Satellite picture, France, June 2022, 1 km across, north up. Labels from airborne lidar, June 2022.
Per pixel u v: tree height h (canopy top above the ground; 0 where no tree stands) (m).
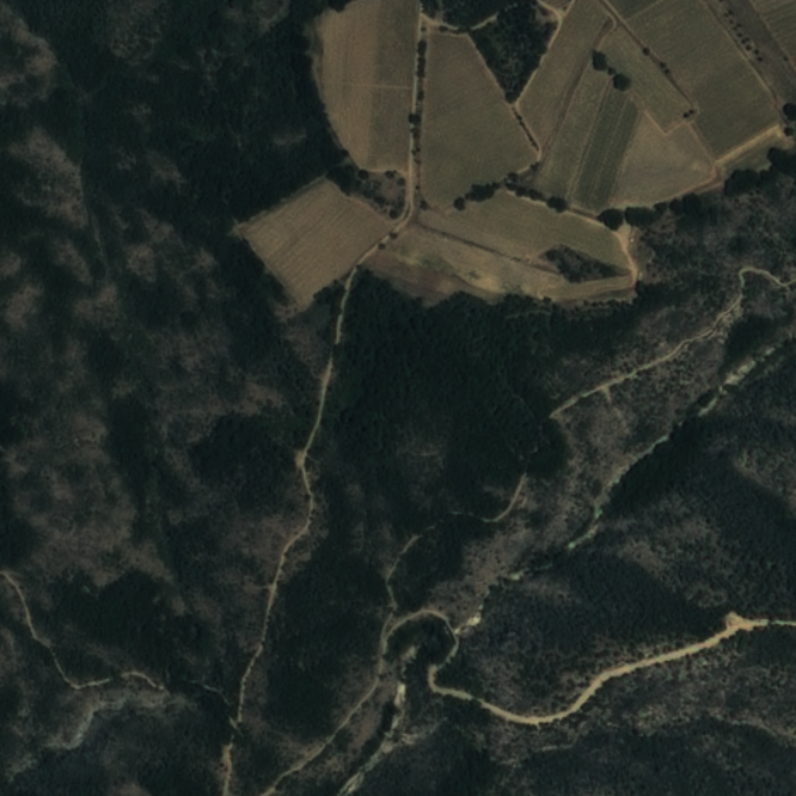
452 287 0
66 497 0
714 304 7
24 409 9
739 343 12
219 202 11
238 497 7
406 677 7
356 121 0
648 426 5
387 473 12
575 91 0
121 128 9
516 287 0
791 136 15
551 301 10
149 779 11
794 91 0
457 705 10
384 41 0
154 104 10
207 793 11
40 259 8
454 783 9
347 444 7
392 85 0
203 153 11
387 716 10
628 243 0
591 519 9
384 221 0
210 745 8
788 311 8
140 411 11
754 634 7
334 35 0
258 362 8
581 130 0
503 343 12
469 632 0
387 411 10
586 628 15
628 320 6
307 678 13
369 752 8
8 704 8
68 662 7
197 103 10
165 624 10
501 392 11
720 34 0
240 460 9
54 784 7
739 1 0
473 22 10
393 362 20
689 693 0
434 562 8
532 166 6
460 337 14
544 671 7
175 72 7
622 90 14
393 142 0
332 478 8
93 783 6
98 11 9
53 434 6
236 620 6
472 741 7
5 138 7
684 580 12
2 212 12
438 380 15
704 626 11
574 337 10
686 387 6
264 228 0
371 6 0
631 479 15
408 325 7
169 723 0
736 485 11
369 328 9
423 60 12
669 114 0
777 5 0
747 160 0
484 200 16
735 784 13
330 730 8
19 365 6
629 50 0
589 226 0
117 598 15
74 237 6
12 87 6
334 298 12
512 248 0
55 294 7
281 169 11
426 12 8
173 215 9
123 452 13
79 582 9
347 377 6
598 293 0
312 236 0
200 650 9
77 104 7
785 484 6
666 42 0
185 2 9
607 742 6
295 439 8
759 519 16
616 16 0
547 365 6
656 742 6
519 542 0
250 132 8
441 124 0
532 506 0
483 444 10
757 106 0
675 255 6
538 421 13
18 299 0
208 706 14
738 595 7
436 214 0
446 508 8
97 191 7
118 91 8
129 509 0
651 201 0
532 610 6
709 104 0
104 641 11
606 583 14
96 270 6
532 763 9
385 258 0
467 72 0
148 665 8
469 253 0
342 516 9
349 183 12
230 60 8
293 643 10
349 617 9
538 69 11
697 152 0
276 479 10
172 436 7
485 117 0
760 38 0
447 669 7
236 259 8
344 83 0
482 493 10
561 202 15
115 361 12
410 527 13
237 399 5
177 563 9
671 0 0
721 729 7
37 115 7
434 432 7
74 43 9
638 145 0
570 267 10
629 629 9
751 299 5
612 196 0
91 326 8
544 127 0
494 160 0
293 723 8
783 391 6
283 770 8
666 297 7
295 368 14
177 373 7
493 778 7
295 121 9
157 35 7
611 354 7
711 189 0
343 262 0
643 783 8
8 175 6
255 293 11
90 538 0
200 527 7
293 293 0
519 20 17
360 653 9
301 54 10
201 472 10
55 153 0
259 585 7
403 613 7
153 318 10
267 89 7
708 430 12
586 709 8
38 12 10
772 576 11
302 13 7
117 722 6
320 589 14
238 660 7
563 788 6
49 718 6
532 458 9
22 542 8
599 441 0
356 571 10
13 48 8
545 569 8
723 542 7
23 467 0
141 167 6
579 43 0
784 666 6
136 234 6
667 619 14
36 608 6
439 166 0
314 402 7
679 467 14
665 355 0
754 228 12
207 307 7
